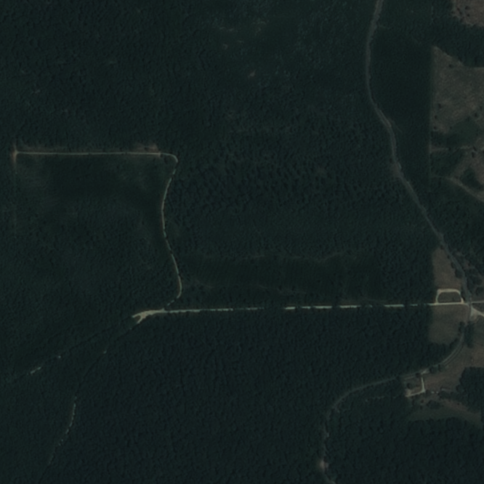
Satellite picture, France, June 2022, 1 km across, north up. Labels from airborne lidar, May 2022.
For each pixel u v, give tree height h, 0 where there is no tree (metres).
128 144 20
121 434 22
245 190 22
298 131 13
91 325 10
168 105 13
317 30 9
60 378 13
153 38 18
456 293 0
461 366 0
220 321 14
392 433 25
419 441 15
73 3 27
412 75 10
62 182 10
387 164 11
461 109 0
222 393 23
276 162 14
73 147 17
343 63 12
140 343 21
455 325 0
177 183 24
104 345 15
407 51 10
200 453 27
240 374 23
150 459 22
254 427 19
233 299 22
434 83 0
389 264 20
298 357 25
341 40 16
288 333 23
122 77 16
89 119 15
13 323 17
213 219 15
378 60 10
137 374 20
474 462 16
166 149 16
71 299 11
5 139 15
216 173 27
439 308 0
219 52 9
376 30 8
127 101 20
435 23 13
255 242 15
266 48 11
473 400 9
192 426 25
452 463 21
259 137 8
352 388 14
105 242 7
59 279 11
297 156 14
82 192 8
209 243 15
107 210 12
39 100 14
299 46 11
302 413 18
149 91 11
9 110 17
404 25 11
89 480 22
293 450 26
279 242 20
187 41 15
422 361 16
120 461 24
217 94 14
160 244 8
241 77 7
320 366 23
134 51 18
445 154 7
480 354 0
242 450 27
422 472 28
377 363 22
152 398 22
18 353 10
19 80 19
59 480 21
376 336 24
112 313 12
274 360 25
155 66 15
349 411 15
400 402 14
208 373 26
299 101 12
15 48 25
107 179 10
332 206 17
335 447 24
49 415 18
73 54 23
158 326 23
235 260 17
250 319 12
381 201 16
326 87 13
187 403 19
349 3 9
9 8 17
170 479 25
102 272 10
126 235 15
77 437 16
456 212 8
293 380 23
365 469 26
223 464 25
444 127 0
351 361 22
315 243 14
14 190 13
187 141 20
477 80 0
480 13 0
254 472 26
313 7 6
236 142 13
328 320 24
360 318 24
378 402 12
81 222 8
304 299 6
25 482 16
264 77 10
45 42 29
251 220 13
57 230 6
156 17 18
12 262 13
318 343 22
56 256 9
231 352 27
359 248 17
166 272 15
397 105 13
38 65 25
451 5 10
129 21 16
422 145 9
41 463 15
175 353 23
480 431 18
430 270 16
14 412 13
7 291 12
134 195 9
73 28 24
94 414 15
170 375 25
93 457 18
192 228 15
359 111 12
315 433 22
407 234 12
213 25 12
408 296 21
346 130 11
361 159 13
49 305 11
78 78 25
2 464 15
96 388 16
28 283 13
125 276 16
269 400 23
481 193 0
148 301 16
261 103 15
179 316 22
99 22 24
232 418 23
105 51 23
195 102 20
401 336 25
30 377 11
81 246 14
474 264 13
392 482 25
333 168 12
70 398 14
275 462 27
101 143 13
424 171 13
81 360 16
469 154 0
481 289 7
